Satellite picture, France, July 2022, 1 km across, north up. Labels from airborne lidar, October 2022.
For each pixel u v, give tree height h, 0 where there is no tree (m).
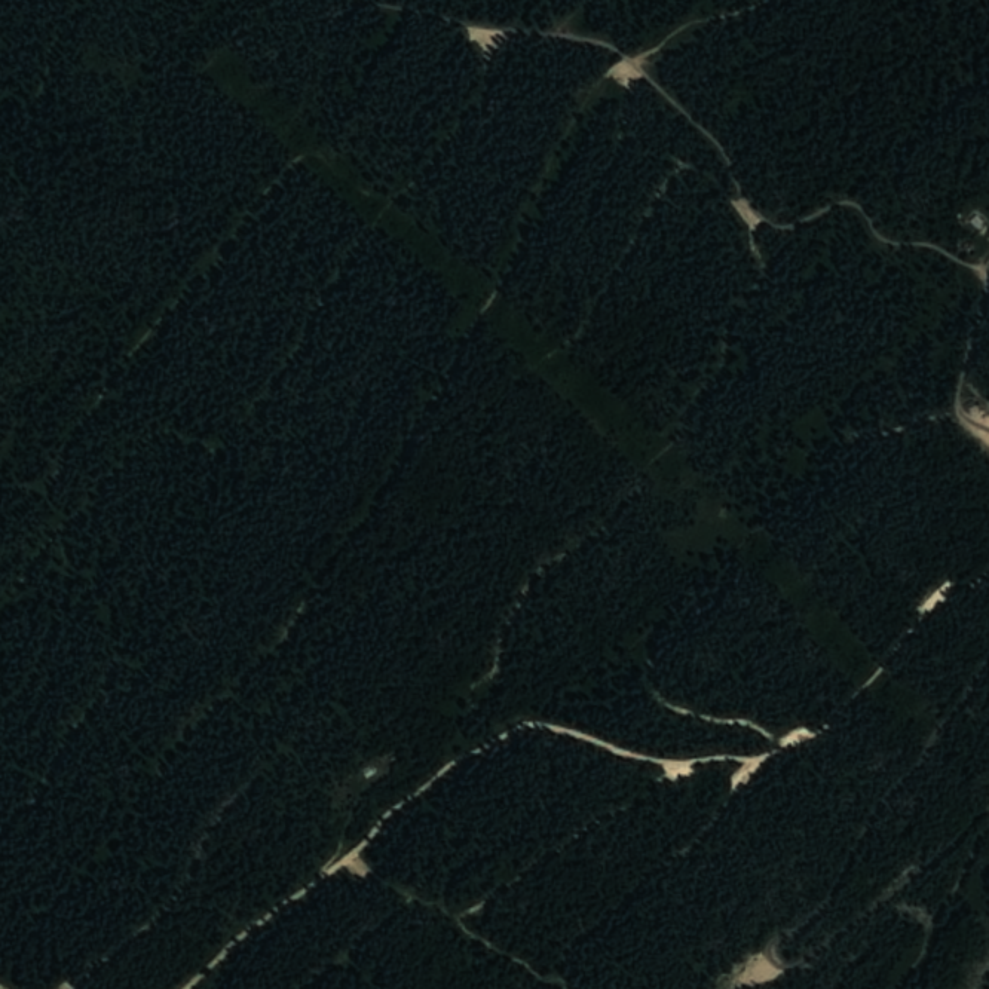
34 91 11
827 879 20
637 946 18
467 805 22
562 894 24
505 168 26
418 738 19
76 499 19
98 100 19
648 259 25
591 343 17
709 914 20
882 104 17
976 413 0
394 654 16
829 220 10
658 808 20
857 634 17
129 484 25
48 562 22
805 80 15
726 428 25
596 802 20
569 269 30
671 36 0
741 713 6
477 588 28
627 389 22
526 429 28
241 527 22
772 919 15
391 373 25
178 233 16
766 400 21
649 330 19
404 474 26
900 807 23
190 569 7
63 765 25
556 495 28
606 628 14
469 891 16
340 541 27
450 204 25
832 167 16
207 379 24
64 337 25
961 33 22
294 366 33
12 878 22
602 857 18
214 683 18
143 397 21
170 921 20
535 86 21
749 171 18
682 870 22
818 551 21
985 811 12
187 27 24
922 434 26
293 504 25
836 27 25
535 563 32
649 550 13
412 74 24
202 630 21
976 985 0
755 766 0
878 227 10
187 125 21
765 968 0
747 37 11
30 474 11
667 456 0
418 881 23
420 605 23
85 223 14
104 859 0
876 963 24
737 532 0
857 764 20
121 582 22
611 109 17
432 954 19
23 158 12
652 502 11
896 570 11
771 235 17
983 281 0
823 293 28
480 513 30
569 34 0
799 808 18
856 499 24
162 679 25
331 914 25
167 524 15
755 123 25
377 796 13
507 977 18
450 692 20
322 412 28
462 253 22
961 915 14
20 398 19
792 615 19
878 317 21
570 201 24
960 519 23
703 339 19
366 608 24
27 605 16
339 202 19
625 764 19
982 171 25
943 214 7
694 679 13
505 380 26
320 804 15
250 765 21
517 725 0
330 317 25
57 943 24
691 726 19
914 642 19
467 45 16
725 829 24
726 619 26
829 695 23
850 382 19
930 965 18
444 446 26
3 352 16
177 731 27
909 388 25
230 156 14
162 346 23
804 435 0
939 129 27
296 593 26
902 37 22
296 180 25
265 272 27
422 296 24
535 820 23
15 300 20
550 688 14
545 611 31
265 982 23
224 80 0
